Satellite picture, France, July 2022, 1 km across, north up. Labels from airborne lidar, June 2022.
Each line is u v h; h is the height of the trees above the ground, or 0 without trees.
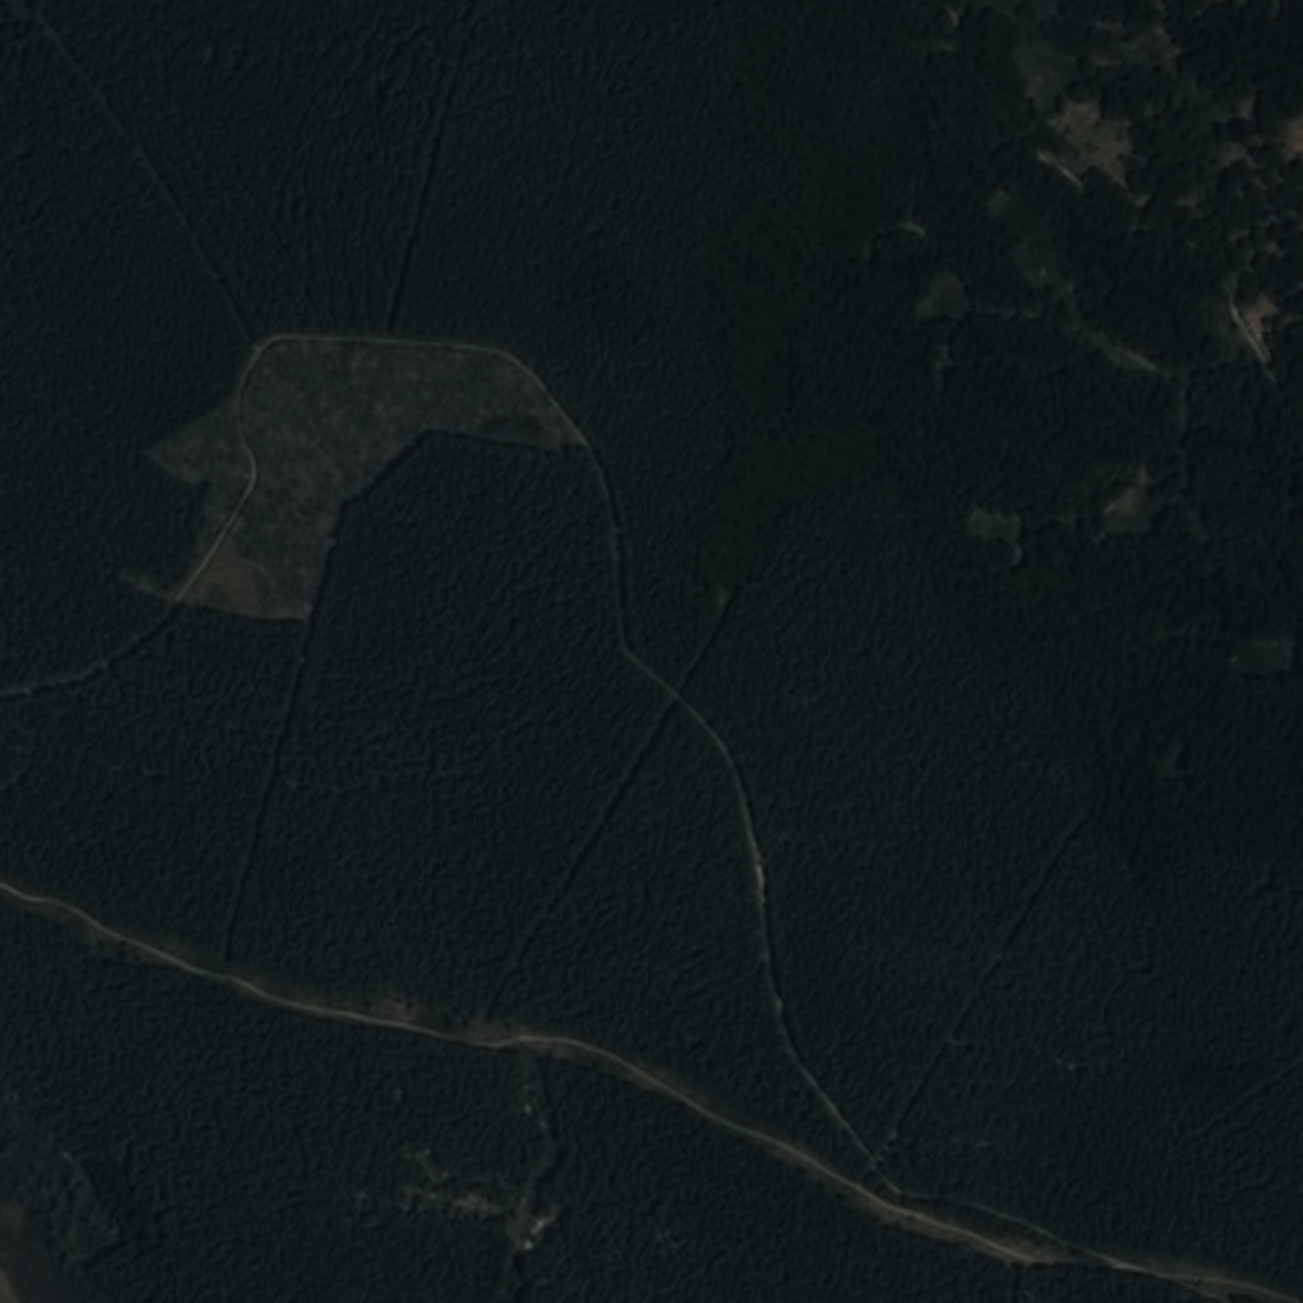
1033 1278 17
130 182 15
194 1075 19
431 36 20
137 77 14
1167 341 12
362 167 24
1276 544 13
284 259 21
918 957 13
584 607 18
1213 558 9
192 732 19
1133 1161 20
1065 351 19
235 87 12
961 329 13
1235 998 22
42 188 13
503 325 18
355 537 15
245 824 19
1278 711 25
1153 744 18
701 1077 23
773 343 11
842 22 16
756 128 14
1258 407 14
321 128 16
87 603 15
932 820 20
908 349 21
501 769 18
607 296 16
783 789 17
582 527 16
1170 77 6
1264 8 8
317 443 8
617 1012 15
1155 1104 21
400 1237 16
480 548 18
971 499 20
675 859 17
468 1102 18
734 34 15
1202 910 26
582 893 19
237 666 19
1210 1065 15
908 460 17
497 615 20
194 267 16
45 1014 14
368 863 18
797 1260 18
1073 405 21
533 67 21
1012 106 11
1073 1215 21
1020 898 20
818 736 19
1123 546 15
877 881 16
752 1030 20
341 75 16
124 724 14
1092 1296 23
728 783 18
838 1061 18
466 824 21
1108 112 12
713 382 17
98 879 20
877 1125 16
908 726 18
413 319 16
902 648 19
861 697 15
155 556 15
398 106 19
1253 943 25
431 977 18
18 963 15
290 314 17
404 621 16
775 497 11
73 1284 8
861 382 18
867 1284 19
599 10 17
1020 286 15
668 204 21
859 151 12
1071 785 18
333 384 7
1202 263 13
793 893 14
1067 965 15
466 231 17
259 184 16
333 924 18
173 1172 19
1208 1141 22
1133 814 20
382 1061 18
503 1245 15
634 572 18
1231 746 23
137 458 16
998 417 17
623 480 18
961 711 20
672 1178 21
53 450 16
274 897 16
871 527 20
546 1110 8
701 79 17
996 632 20
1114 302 15
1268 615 25
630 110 17
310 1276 18
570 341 17
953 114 17
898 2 18
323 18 17
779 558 17
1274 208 6
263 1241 18
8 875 18
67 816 18
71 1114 15
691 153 19
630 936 19
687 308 16
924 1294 22
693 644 18
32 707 15
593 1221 18
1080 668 18
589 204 15
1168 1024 21
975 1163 14
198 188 13
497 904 21
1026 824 18
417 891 20
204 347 15
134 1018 18
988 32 18
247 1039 18
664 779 16
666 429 19
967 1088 15
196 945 15
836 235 15
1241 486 11
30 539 18
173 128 12
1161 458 14
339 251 15
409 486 19
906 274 21
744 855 17
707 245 16
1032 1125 16
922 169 14
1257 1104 22
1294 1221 20
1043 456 21
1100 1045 16
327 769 17
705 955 18
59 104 14
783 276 8
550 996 16
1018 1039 18
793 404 21
